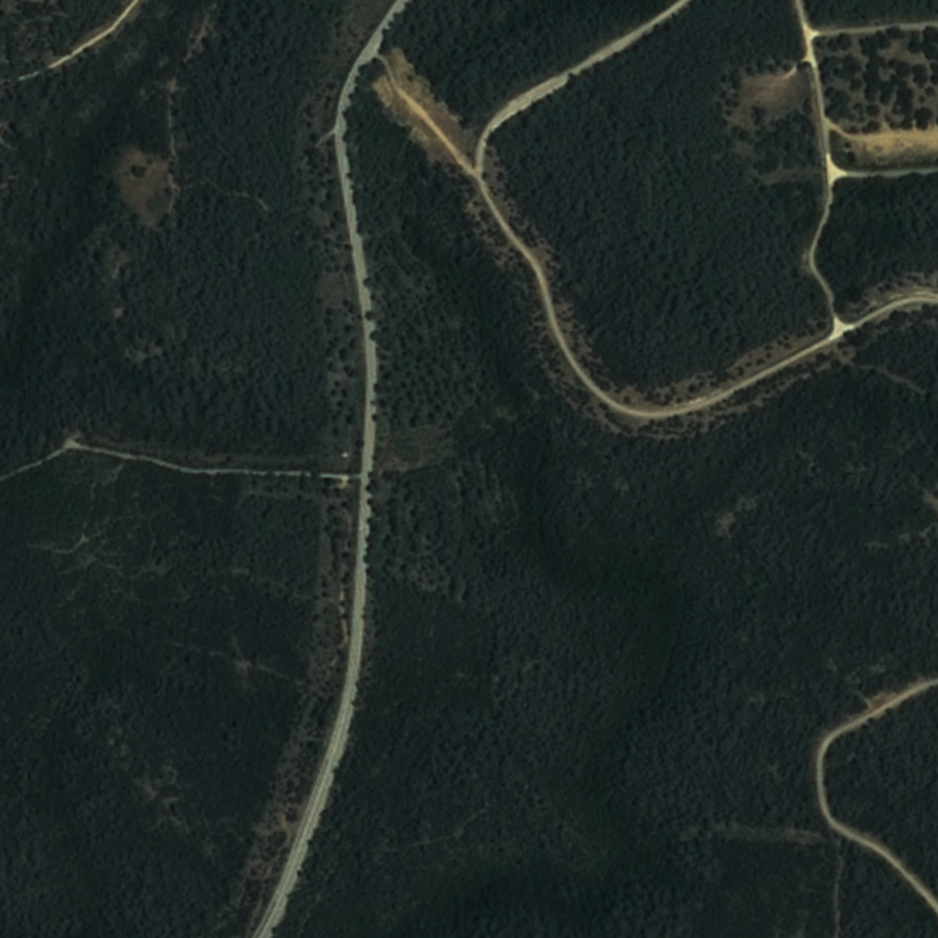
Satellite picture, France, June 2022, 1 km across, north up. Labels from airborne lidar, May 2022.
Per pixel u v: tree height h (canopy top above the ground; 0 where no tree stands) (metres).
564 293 9
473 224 9
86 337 6
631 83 14
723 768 10
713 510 10
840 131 0
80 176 13
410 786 14
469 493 20
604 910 13
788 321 18
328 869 16
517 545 11
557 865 6
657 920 17
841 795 9
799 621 11
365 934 7
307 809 0
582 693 18
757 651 10
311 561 6
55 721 6
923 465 9
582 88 17
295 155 11
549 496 11
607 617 16
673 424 6
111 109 9
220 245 14
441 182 18
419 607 7
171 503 7
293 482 11
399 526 19
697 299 20
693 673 8
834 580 14
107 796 14
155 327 10
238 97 16
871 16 18
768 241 22
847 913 7
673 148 16
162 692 12
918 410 7
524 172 13
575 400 8
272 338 18
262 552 9
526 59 19
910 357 15
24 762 14
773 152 8
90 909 7
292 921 8
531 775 6
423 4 14
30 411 10
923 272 9
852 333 13
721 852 5
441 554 16
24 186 20
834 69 15
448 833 8
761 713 10
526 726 19
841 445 6
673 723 16
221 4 7
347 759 10
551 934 15
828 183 0
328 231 12
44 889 7
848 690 14
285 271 13
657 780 16
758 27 14
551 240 13
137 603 5
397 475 12
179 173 15
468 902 8
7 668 7
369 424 0
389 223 16
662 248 20
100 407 10
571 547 20
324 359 11
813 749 16
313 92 20
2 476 15
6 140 7
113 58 6
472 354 17
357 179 16
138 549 7
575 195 18
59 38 14
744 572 9
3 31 18
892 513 11
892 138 0
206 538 6
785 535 12
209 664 6
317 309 13
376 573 17
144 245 16
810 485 17
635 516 9
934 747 17
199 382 14
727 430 17
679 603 13
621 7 16
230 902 17
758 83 0
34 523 6
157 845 6
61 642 14
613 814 13
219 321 20
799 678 6
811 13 13
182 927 11
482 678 6
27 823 16
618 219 16
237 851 5
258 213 14
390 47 15
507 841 8
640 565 12
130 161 0
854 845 15
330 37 16
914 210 17
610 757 7
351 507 16
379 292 12
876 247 17
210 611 7
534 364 16
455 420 20
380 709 8
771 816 17
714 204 17
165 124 6
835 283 11
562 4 13
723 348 20
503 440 11
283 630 6
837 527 8
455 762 17
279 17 20
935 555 15
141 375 11
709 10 13
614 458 15
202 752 6
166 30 7
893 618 8
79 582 7
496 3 19
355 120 14
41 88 8
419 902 8
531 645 10
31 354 10
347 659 6
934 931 9
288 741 8
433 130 0
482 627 8
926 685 0
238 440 8
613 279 11
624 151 17
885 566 8
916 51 12
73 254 8
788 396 10
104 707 14
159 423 9
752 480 12
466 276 9
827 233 9
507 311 10
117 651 6
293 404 18
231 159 16
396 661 7
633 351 10
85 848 14
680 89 15
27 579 7
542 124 12
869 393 13
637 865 12
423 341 19
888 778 17
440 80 11
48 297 18
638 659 9
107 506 7
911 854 10
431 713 9
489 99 15
